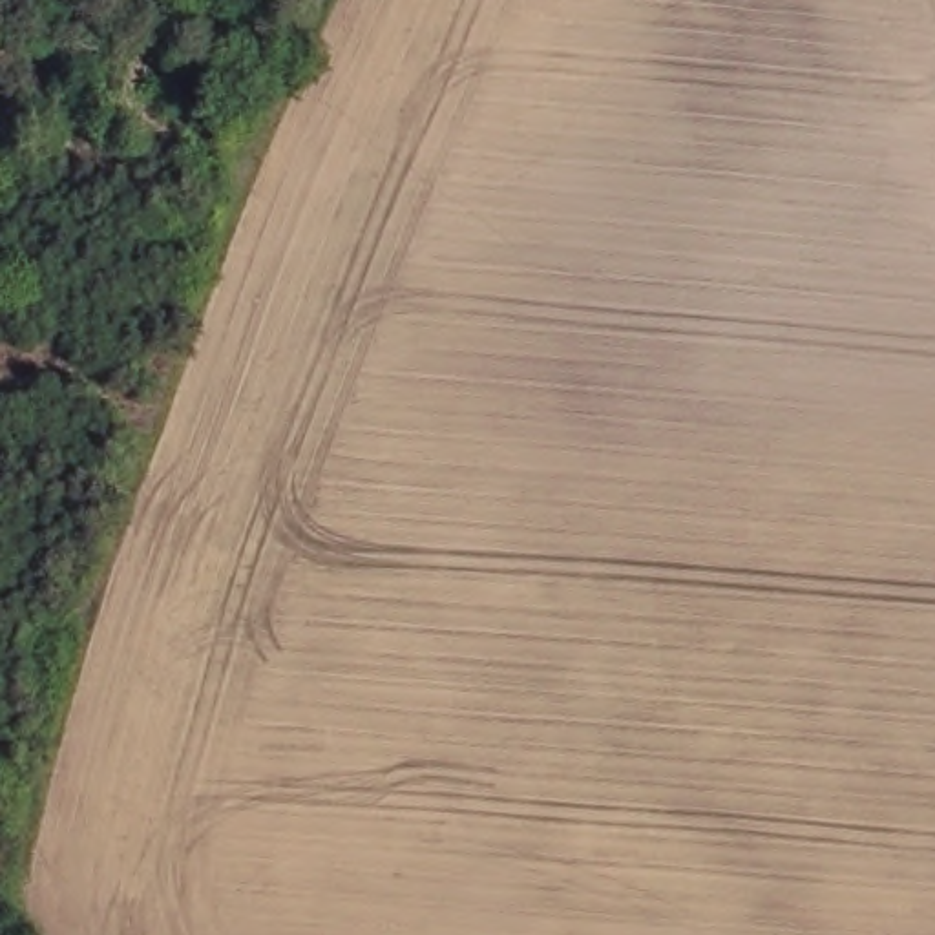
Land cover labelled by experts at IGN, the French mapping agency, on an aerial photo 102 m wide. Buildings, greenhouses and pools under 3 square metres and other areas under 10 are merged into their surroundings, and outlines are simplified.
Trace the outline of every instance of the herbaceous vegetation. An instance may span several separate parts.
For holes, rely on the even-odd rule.
[[[66,383],[69,347],[55,336],[47,347],[37,347],[29,354],[18,343],[0,343],[0,398],[29,391],[40,376],[55,376]]]
[[[201,208],[215,212],[215,241],[226,248],[285,110],[274,106],[259,121],[237,117],[230,131],[219,135],[219,153],[230,179],[219,186],[219,194],[201,197]]]
[[[314,37],[321,40],[336,0],[299,0],[303,7],[296,22]]]
[[[135,493],[146,478],[150,457],[161,442],[183,376],[175,369],[161,369],[157,387],[142,398],[128,398],[117,416],[117,435],[106,449],[106,464],[91,468],[91,475],[110,478],[128,504],[91,508],[88,537],[69,541],[62,555],[47,559],[47,588],[37,599],[40,610],[18,632],[18,687],[26,698],[26,720],[18,741],[11,745],[15,756],[0,763],[0,935],[40,935],[22,909],[22,888],[29,877],[29,858],[44,814],[51,760],[66,730],[69,698],[106,595],[110,566],[131,522]]]

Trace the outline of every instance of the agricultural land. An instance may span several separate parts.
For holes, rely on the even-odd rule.
[[[329,69],[296,99],[289,99],[285,110],[226,248],[219,281],[208,292],[208,307],[201,318],[201,332],[194,354],[183,365],[183,376],[161,442],[150,457],[146,478],[135,493],[131,522],[110,566],[106,595],[69,698],[66,730],[51,760],[44,814],[29,858],[29,877],[22,888],[22,909],[40,935],[935,935],[935,0],[336,0],[321,40]]]

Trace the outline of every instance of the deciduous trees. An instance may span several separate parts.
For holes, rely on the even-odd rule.
[[[248,0],[168,0],[179,11],[219,11],[223,18],[241,15]]]
[[[99,369],[106,369],[117,354],[121,325],[131,318],[128,307],[172,299],[201,318],[208,307],[208,292],[219,281],[226,248],[215,241],[215,212],[201,208],[201,197],[219,194],[219,186],[230,179],[219,153],[219,135],[230,131],[237,117],[259,121],[274,106],[285,110],[289,99],[296,99],[329,69],[321,40],[314,37],[223,37],[201,77],[197,106],[172,106],[172,99],[157,84],[142,84],[139,91],[135,84],[117,88],[110,102],[99,102],[95,58],[88,51],[77,51],[66,77],[51,80],[47,88],[33,88],[15,102],[18,142],[0,150],[0,343],[18,343],[29,354],[37,347],[47,347],[55,336],[69,347],[66,383],[55,376],[40,376],[29,391],[0,398],[0,763],[15,756],[11,745],[18,741],[26,720],[26,698],[18,687],[18,632],[40,610],[37,599],[47,588],[47,559],[62,555],[69,541],[88,537],[91,508],[128,504],[110,478],[91,475],[91,468],[106,464],[106,449],[117,435],[117,416],[102,398],[84,398],[84,387],[99,380]]]

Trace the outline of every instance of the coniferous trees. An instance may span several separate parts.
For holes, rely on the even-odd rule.
[[[194,354],[201,332],[201,318],[172,299],[128,307],[131,318],[121,325],[117,354],[106,369],[99,369],[99,380],[84,387],[84,398],[102,398],[117,416],[128,398],[142,398],[157,387],[161,369],[175,369],[183,376],[183,365]]]
[[[179,11],[168,0],[0,0],[0,150],[18,142],[15,102],[33,88],[47,88],[51,80],[66,77],[77,51],[88,51],[95,58],[99,102],[110,102],[117,88],[135,84],[139,91],[142,84],[157,84],[172,99],[172,106],[197,106],[201,77],[223,37],[314,37],[296,22],[303,7],[299,0],[248,0],[241,15],[223,18],[219,11]]]

